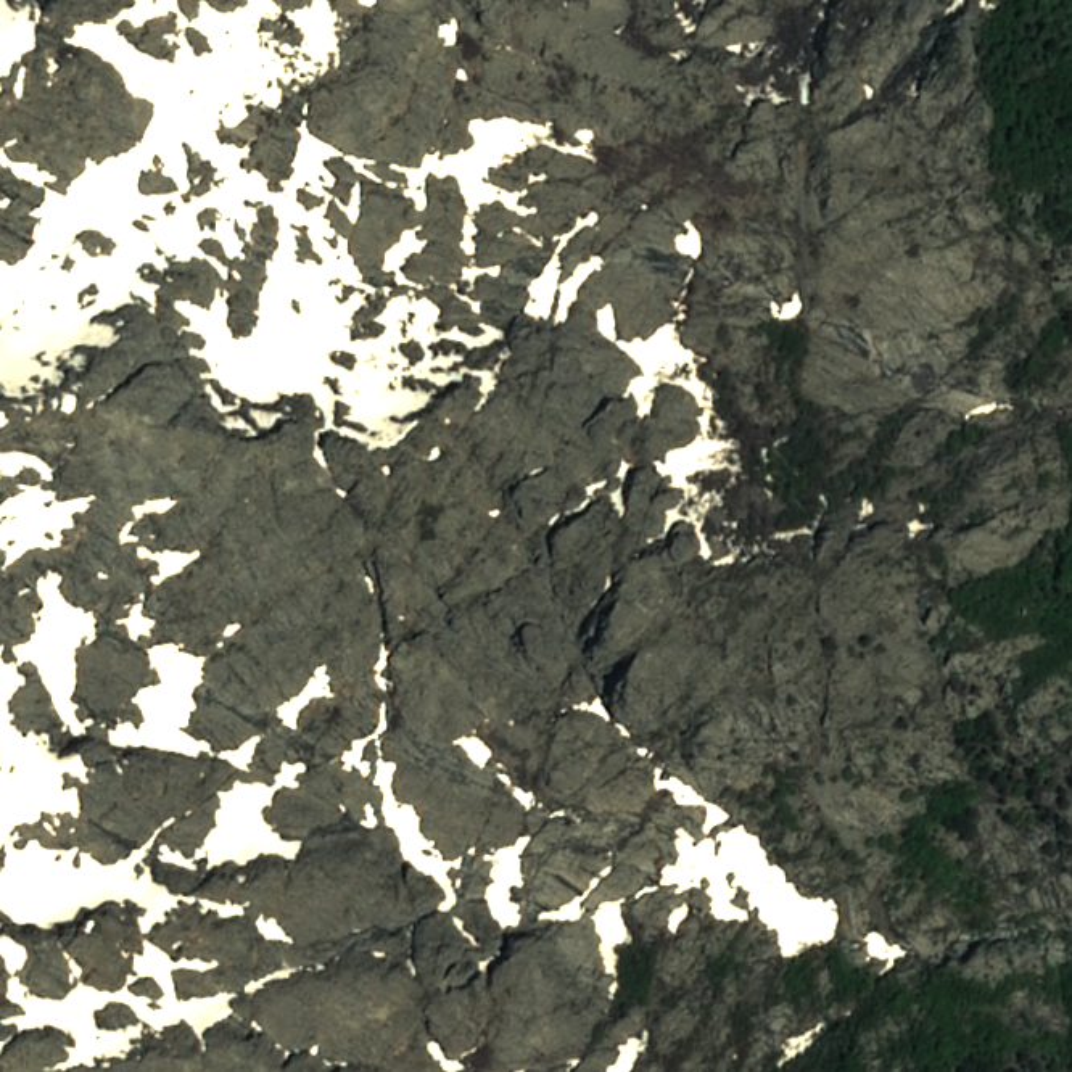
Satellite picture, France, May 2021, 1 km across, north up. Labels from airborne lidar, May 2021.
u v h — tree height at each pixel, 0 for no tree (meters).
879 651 7
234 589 0
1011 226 13
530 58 0
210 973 0
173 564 0
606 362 0
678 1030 0
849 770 7
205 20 0
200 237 0
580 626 8
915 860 14
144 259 0
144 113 0
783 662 0
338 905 0
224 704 0
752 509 7
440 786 0
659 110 10
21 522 0
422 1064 0
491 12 0
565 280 0
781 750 0
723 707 0
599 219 0
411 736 0
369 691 0
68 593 0
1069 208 13
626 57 0
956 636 7
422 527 0
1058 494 0
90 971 0
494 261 0
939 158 0
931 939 0
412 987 0
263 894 0
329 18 0
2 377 0
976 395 0
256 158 0
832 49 0
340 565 0
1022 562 9
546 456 0
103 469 0
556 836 0
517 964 0
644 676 0
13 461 0
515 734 0
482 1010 0
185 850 0
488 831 0
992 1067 7
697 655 0
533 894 0
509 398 0
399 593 0
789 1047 8
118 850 0
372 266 0
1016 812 8
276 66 0
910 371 0
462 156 0
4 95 0
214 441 0
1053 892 0
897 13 9
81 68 0
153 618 0
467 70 0
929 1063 14
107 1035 0
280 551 0
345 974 0
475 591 0
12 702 0
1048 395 0
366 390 0
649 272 0
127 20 0
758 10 6
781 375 7
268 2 0
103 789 0
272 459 0
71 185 0
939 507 8
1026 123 8
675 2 0
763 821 6
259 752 0
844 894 0
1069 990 14
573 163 0
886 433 11
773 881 0
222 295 0
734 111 0
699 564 0
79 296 0
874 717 0
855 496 12
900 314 0
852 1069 12
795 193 0
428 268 0
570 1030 0
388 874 0
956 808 17
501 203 0
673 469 0
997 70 17
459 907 0
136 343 0
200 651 0
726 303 0
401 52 0
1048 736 8
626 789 0
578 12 0
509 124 0
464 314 0
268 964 0
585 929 0
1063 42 13
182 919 0
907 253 0
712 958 6
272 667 0
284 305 0
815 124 0
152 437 0
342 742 0
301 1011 0
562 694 8
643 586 0
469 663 0
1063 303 12
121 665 0
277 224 0
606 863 0
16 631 0
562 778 0
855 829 0
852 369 0
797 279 7
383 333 0
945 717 8
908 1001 9
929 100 0
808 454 11
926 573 0
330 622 0
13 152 0
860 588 0
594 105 0
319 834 0
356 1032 0
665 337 0
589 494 0
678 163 10
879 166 0
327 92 0
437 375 0
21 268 0
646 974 11
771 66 8
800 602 0
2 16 0
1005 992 9
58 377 0
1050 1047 16
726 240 0
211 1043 0
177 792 0
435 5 0
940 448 9
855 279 0
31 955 0
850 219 0
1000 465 0
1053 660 18
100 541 0
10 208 0
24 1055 0
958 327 0
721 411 9
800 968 10
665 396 0
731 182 9
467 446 0
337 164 0
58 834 0
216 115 0
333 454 0
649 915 0
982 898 14
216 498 0
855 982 15
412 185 0
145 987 0
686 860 0
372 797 0
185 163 0
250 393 0
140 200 0
